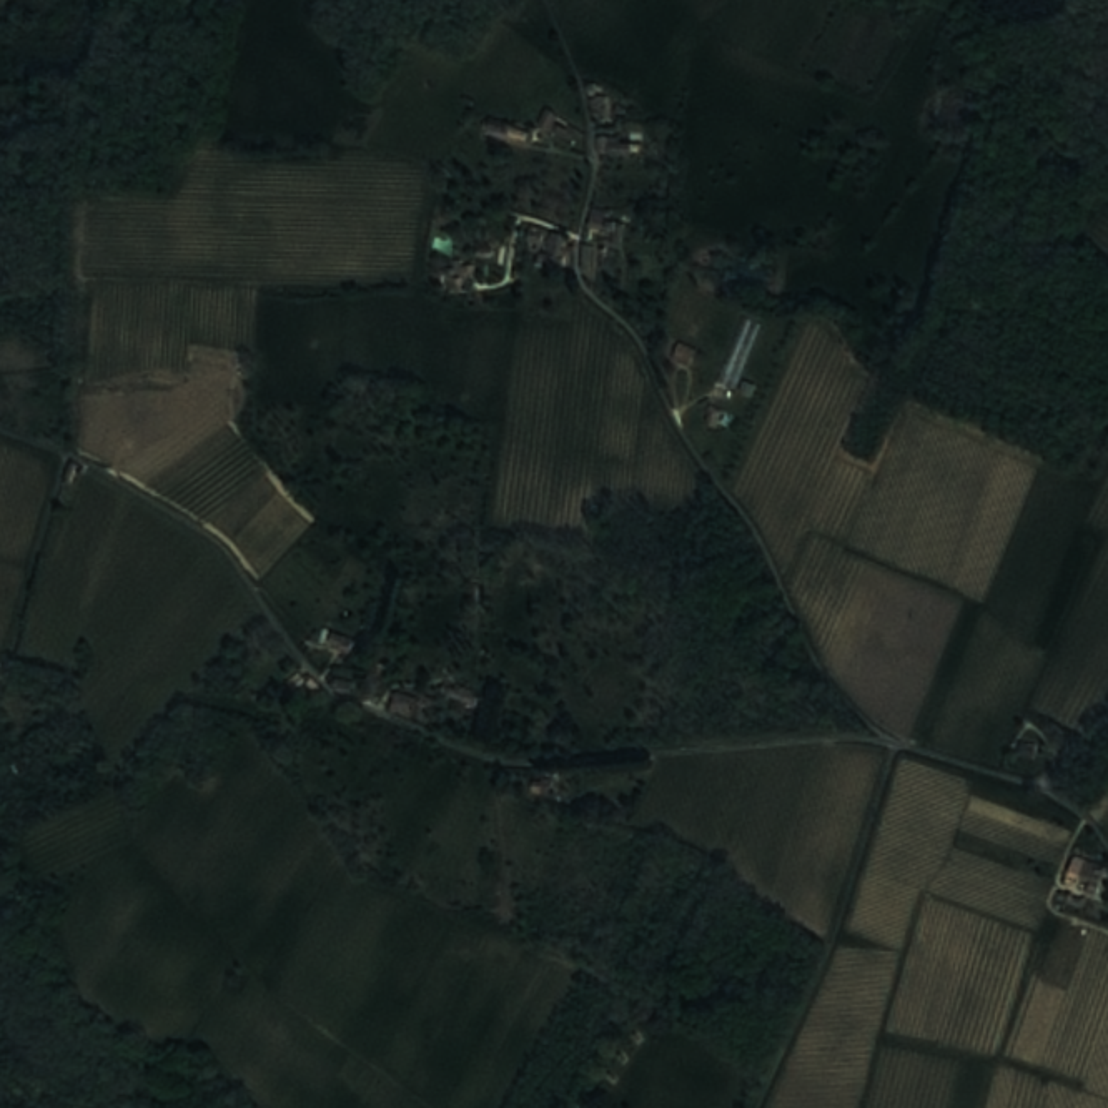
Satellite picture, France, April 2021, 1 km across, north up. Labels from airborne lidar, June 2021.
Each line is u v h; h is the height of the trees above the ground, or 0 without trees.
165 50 23
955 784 0
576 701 0
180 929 0
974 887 0
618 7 0
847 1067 0
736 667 21
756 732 9
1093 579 0
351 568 0
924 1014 0
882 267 0
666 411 0
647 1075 0
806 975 18
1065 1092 0
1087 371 15
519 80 0
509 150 11
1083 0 14
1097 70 11
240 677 9
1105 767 22
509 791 16
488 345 0
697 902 13
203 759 12
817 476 0
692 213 0
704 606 24
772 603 24
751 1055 23
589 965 13
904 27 16
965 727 0
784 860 0
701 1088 0
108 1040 19
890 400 13
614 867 6
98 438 0
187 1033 0
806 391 0
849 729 15
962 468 0
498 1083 0
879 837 0
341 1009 0
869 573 0
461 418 14
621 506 16
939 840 0
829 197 0
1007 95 14
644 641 11
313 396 0
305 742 9
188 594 0
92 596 0
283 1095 0
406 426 13
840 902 0
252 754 0
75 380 11
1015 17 14
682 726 15
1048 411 8
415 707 8
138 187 20
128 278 0
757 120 0
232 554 0
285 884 0
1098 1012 0
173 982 0
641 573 18
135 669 0
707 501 16
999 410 14
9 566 0
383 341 0
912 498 0
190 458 0
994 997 0
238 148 17
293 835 0
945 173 0
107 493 0
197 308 0
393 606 20
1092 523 0
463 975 0
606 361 0
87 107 18
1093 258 20
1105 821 0
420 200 0
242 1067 0
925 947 0
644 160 0
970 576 0
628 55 0
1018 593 0
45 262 25
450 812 0
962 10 21
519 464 0
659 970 23
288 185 0
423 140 0
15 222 25
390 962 0
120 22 28
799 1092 0
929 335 18
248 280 0
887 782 0
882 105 0
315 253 0
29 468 0
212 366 0
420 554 9
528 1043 0
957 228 21
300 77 0
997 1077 0
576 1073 10
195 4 12
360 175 0
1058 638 0
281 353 0
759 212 0
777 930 24
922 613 0
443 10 19
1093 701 0
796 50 0
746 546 16
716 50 0
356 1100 0
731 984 21
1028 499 0
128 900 0
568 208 15
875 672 0
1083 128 24
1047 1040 0
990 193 19
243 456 0
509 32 0
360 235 0
